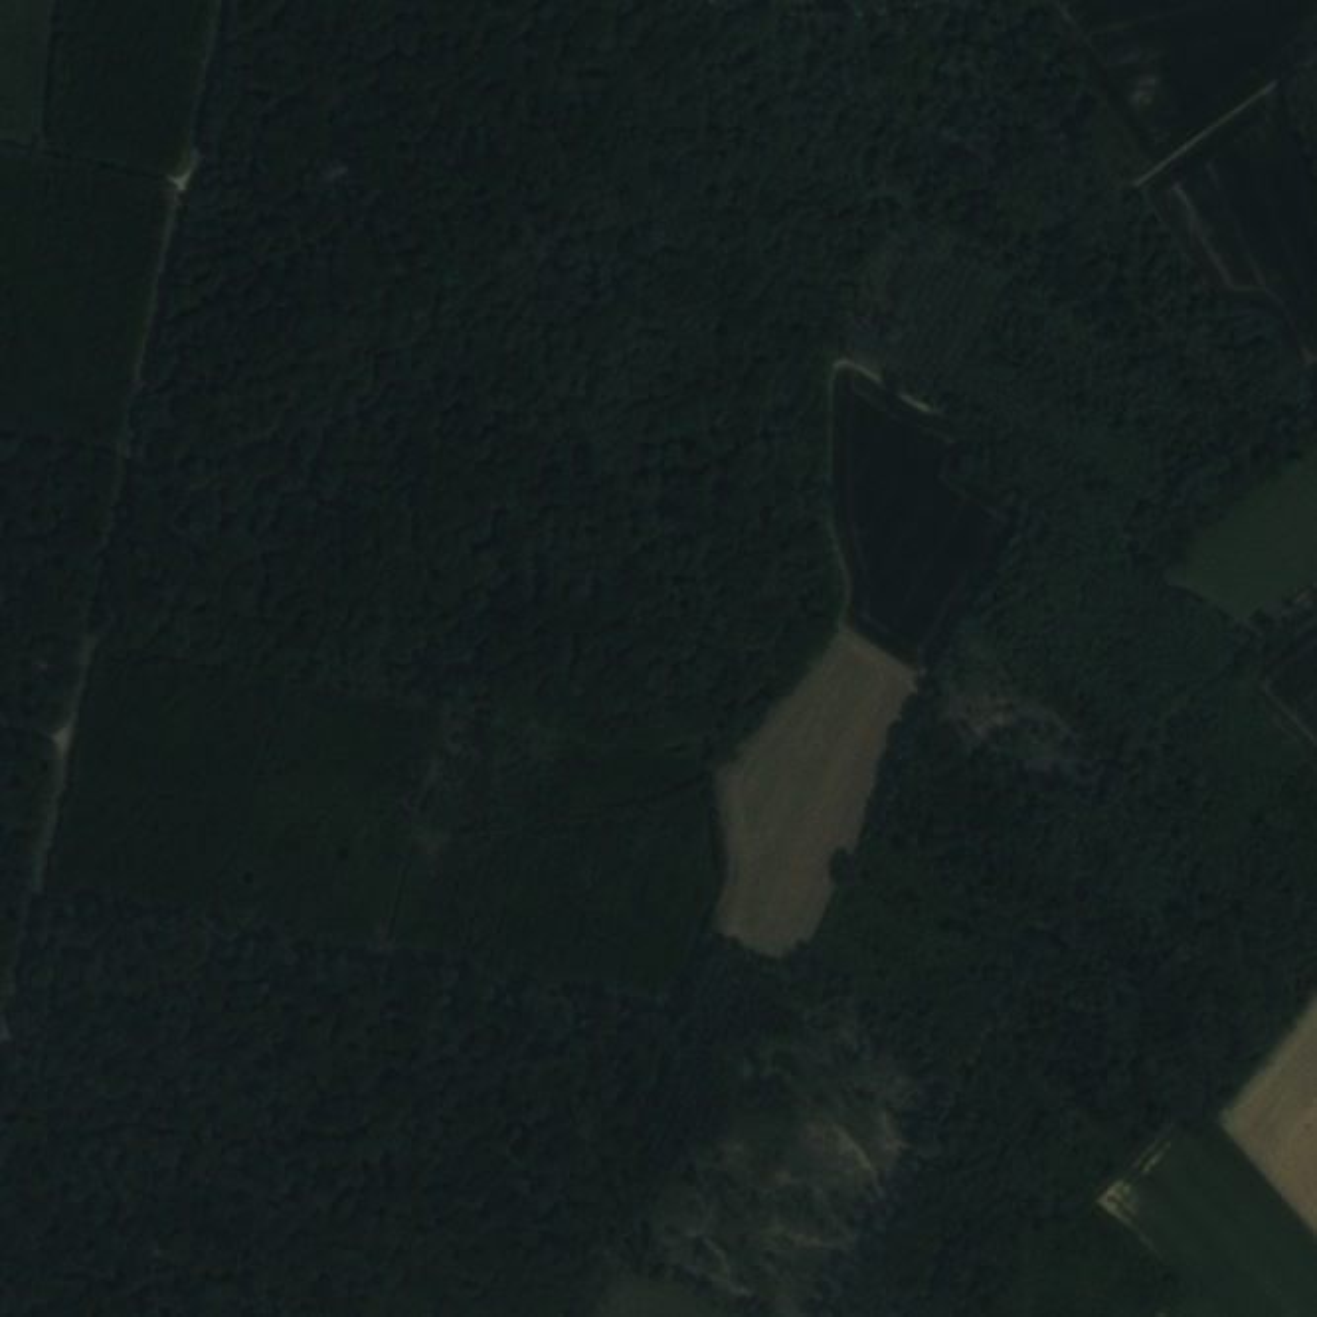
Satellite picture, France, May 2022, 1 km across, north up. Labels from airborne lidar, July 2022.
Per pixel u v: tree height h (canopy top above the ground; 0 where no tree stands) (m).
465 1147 33
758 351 22
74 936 32
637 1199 0
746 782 0
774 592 25
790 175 21
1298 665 0
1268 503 0
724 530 24
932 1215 28
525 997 23
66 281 14
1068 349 20
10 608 28
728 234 25
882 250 26
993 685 29
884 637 0
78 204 13
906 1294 28
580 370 21
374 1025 30
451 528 27
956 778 30
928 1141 30
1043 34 28
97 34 15
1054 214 33
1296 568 0
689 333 21
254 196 29
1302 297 0
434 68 30
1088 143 34
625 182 21
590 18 30
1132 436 20
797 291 24
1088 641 21
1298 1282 0
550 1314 26
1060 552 24
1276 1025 22
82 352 13
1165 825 20
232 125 22
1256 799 13
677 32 23
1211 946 24
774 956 0
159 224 14
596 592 25
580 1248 24
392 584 28
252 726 9
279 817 6
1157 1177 0
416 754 6
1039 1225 19
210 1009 32
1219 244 0
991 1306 28
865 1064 32
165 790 11
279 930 6
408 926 6
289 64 20
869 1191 0
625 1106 28
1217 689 22
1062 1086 21
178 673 12
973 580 0
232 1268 24
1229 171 0
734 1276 0
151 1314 28
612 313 26
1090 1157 16
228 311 29
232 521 32
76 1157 30
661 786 8
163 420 22
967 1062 10
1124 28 0
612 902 6
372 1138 31
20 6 0
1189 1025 27
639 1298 0
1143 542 27
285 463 30
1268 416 26
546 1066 31
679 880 7
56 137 14
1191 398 26
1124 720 23
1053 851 28
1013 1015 22
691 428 26
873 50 25
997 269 25
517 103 28
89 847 12
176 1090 29
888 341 25
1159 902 28
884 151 29
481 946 8
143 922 28
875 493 0
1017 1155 27
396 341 16
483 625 29
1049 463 25
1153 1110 28
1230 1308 0
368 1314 31
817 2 0
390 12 22
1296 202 0
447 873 7
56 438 12
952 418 26
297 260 28
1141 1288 6
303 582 30
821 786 0
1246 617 0
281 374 29
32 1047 28
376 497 29
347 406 26
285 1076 33
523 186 22
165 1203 34
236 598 29
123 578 31
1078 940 24
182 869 11
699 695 24
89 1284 23
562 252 28
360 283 27
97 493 29
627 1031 29
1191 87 0
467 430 32
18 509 28
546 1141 31
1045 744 24
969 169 31
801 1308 0
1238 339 22
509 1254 30
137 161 13
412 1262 31
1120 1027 28
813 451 21
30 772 27
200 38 14
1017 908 20
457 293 27
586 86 26
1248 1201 0
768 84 25
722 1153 28
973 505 0
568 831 7
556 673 25
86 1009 32
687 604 25
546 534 29
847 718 0
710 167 22
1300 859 21
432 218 28
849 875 22
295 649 21
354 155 31
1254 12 0
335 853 6
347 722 6
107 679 12
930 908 8
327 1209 23
